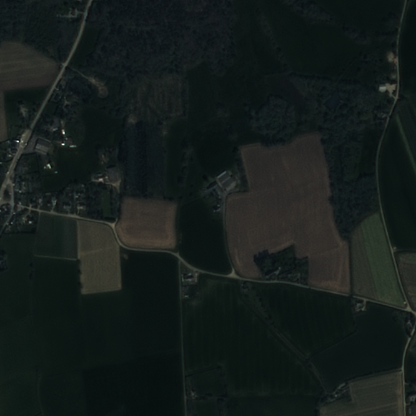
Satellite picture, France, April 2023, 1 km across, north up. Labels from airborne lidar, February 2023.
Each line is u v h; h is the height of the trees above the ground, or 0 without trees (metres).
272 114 7
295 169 0
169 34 23
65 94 8
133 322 0
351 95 13
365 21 0
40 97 0
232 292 0
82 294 0
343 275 0
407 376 0
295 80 12
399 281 0
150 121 0
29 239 0
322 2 0
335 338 0
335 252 0
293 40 0
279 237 0
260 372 0
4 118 0
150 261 0
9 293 0
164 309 0
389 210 0
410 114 0
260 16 11
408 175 0
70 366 0
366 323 0
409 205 0
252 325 0
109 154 13
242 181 9
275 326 8
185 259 0
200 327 0
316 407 8
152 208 0
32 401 0
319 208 0
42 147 0
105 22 14
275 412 0
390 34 10
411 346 0
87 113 0
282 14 0
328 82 11
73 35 8
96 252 0
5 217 7
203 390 0
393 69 0
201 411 0
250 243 0
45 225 0
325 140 6
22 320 0
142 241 0
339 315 0
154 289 0
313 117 12
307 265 9
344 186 17
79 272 7
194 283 0
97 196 12
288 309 0
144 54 26
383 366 0
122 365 0
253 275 0
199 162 0
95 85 0
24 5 9
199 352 0
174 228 0
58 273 0
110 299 0
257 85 0
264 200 0
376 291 0
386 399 0
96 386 0
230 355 0
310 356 0
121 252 0
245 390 0
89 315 0
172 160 0
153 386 0
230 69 0
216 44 18
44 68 0
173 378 0
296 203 0
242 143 0
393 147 0
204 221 0
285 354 0
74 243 0
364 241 0
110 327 0
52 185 0
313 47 0
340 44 0
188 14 14
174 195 0
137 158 22
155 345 0
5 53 0
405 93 0
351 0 0
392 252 0
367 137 0
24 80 0
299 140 0
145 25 18
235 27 0
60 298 0
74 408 0
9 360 0
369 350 0
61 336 0
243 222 0
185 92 14
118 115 11
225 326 0
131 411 0
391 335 0
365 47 0
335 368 0
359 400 0
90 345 0
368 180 12
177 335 0
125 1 18
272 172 0
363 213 14
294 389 0
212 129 0
